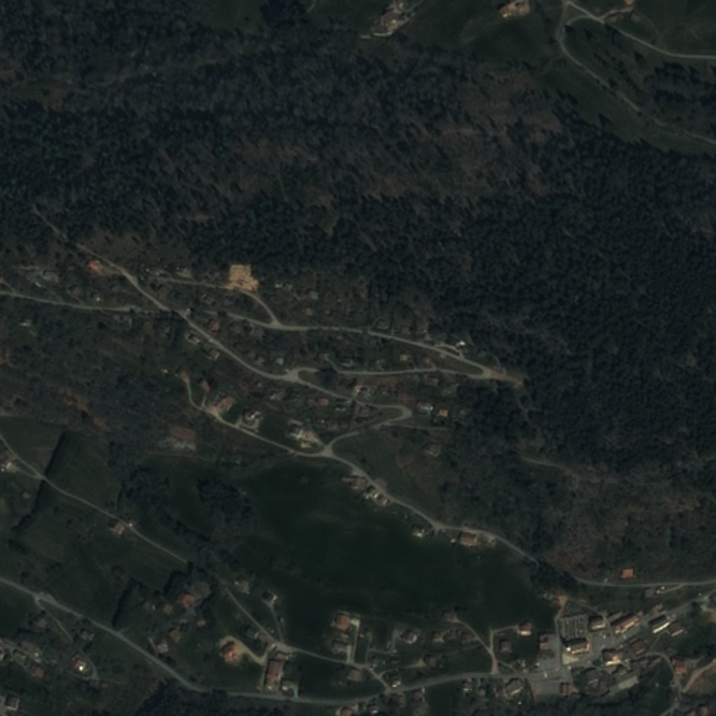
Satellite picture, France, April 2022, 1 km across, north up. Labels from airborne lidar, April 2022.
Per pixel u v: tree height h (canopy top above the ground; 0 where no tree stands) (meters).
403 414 0
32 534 0
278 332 6
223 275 8
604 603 0
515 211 23
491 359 8
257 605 0
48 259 11
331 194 0
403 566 0
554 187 22
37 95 0
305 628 0
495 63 0
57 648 15
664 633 0
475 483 9
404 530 0
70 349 17
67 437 16
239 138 21
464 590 0
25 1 0
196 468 0
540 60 0
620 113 0
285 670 6
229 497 30
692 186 29
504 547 0
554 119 0
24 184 9
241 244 22
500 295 24
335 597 0
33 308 13
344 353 18
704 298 22
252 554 0
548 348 25
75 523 7
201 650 0
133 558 0
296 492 0
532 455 8
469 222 27
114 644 0
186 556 0
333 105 12
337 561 0
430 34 0
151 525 0
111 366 21
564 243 27
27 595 0
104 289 12
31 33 24
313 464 0
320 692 0
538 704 7
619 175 27
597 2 0
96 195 31
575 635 0
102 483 0
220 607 0
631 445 18
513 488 12
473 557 6
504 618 0
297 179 6
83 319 21
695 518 19
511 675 0
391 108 27
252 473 23
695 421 23
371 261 27
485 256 23
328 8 0
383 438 0
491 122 0
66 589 0
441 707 0
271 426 0
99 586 0
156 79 8
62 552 0
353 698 0
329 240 29
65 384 24
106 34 25
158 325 16
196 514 0
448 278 17
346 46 6
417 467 0
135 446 24
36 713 0
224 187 32
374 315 5
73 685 13
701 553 16
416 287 19
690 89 21
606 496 6
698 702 14
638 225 26
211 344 0
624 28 0
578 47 0
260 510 0
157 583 0
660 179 18
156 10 25
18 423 0
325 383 19
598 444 22
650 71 0
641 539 14
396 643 0
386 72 7
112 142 33
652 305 23
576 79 0
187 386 0
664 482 20
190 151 20
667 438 10
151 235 19
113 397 22
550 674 0
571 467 7
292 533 0
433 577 0
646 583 0
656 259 18
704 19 0
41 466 0
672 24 0
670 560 7
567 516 10
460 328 19
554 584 22
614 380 23
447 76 17
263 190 0
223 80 18
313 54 6
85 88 7
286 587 0
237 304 10
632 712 19
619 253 28
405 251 21
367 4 0
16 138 19
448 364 0
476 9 0
